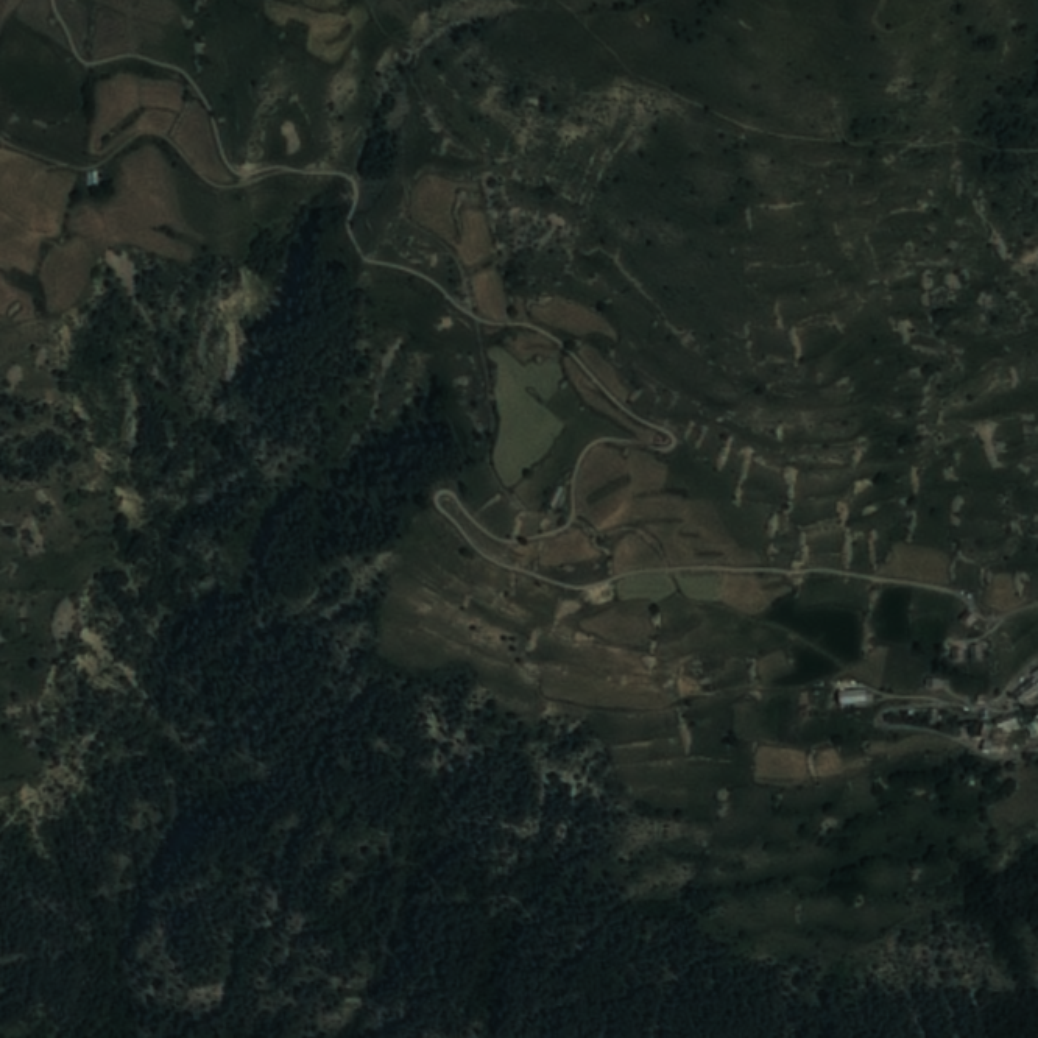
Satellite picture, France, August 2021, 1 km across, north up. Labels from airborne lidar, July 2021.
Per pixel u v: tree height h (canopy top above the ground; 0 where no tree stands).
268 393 25
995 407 0
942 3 0
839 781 0
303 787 21
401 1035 21
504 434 0
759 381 0
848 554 0
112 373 6
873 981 11
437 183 0
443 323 0
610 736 0
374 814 17
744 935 8
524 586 0
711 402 0
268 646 25
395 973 15
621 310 0
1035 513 0
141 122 0
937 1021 28
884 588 0
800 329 0
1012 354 0
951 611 0
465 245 0
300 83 0
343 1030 7
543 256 0
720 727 0
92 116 8
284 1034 19
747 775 0
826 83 0
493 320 0
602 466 0
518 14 0
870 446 0
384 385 0
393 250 0
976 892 16
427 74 0
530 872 6
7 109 0
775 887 8
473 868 27
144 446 16
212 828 21
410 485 25
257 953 21
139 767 12
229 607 24
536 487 0
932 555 0
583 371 0
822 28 0
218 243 0
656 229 0
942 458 0
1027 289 0
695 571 0
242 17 0
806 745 0
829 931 6
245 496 11
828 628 0
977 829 0
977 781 9
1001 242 0
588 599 0
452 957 29
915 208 0
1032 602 0
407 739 23
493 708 11
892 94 0
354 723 14
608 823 8
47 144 0
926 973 11
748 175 0
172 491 6
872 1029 26
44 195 0
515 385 0
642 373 0
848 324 0
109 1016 9
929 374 11
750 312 0
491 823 8
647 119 0
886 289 0
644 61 0
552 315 0
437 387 13
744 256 0
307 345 23
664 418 0
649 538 0
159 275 10
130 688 7
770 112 0
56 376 10
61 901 18
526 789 13
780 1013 13
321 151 0
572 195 0
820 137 0
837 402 0
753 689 0
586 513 0
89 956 15
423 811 7
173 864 9
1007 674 0
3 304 0
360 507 17
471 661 0
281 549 30
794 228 0
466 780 6
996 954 9
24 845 7
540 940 15
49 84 0
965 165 0
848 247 0
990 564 0
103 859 7
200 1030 18
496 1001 10
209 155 0
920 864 10
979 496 0
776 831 0
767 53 0
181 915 8
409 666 0
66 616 0
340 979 16
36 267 0
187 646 7
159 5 0
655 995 29
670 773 0
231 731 16
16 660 0
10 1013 20
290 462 8
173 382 7
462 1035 24
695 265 0
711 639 0
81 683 9
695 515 0
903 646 0
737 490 0
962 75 0
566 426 0
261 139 0
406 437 18
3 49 0
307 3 0
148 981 7
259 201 0
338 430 27
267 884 13
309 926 12
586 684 0
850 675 0
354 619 8
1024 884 18
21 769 0
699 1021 24
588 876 15
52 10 0
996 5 0
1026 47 0
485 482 0
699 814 0
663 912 7
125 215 0
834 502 0
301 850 24
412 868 9
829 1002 28
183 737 8
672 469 0
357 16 0
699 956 13
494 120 0
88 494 8
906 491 0
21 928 17
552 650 0
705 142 0
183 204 0
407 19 0
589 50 0
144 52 0
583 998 23
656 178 0
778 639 0
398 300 0
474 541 0
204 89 0
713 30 0
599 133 0
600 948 26
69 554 0
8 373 0
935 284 0
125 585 16
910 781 18
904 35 0
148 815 9
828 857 0
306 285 21
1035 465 0
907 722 11
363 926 11
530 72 0
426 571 0
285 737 16
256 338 21
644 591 0
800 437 0
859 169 0
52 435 6
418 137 0
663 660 0
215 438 7
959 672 9
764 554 0
